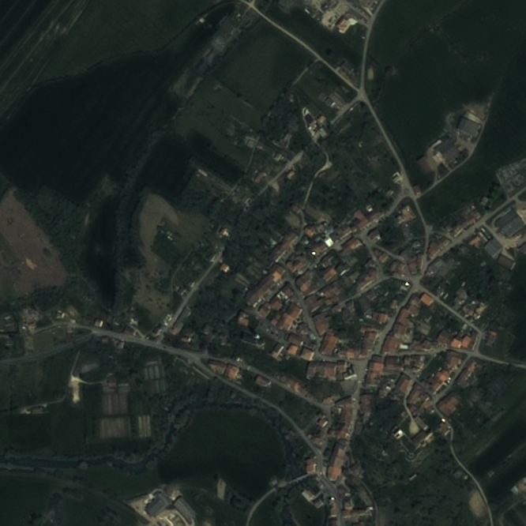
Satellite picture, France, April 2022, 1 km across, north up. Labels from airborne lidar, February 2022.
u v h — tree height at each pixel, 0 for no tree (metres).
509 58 0
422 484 0
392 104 0
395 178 0
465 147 0
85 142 0
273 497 0
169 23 0
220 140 0
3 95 0
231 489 0
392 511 0
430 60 0
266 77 0
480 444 0
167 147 0
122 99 0
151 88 0
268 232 6
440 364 0
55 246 9
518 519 0
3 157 0
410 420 0
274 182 0
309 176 10
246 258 12
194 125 0
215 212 10
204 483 0
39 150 0
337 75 0
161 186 0
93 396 0
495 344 0
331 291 0
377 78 0
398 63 0
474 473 0
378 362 0
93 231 0
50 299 11
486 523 0
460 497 0
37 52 0
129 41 0
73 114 0
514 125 0
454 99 0
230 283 12
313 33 0
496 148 0
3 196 7
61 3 0
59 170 0
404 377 0
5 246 0
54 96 0
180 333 7
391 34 0
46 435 0
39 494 0
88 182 0
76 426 0
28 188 0
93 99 0
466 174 0
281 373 12
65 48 0
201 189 0
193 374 0
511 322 8
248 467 0
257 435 0
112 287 0
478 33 0
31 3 0
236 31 0
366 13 0
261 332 0
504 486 0
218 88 0
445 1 0
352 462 0
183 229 0
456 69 0
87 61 0
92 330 0
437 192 0
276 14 0
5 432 0
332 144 16
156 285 6
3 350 0
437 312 0
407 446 0
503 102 0
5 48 0
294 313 0
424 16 0
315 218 0
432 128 0
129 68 0
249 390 0
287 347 0
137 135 0
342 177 0
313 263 0
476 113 0
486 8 0
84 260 0
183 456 0
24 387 0
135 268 0
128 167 0
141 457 11
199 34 0
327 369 0
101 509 0
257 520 0
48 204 0
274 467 0
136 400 0
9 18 0
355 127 0
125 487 0
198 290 0
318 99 0
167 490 0
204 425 0
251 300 0
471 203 0
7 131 0
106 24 0
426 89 0
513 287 6
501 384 0
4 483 0
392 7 0
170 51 0
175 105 0
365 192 0
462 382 0
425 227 0
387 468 10
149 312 0
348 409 0
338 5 0
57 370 0
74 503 0
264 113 0
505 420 0
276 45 0
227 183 6
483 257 0
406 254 0
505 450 0
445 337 0
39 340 0
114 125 0
